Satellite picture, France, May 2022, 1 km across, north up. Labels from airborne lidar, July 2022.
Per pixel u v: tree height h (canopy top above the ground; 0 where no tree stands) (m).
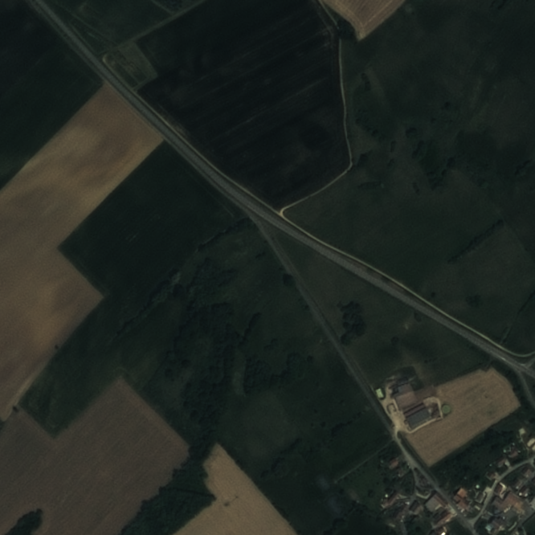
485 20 0
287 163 0
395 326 0
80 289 0
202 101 0
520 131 0
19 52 0
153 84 0
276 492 0
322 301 0
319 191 0
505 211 0
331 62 0
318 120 0
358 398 0
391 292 0
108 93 0
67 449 0
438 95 0
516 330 0
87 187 0
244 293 0
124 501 0
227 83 0
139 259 0
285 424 0
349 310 9
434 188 14
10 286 0
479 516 0
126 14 0
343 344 13
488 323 0
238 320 0
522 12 0
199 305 19
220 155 0
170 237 0
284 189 0
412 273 0
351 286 0
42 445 0
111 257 0
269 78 0
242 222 13
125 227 0
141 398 0
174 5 9
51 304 0
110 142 0
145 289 0
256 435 0
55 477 0
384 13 0
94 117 0
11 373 0
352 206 0
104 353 0
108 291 0
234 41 0
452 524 0
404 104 0
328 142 0
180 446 0
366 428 0
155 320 0
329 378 0
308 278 0
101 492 0
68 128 0
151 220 0
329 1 0
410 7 0
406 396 0
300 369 16
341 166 0
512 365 0
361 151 0
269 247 0
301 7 0
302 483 0
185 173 0
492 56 0
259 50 0
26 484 0
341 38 13
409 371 0
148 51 0
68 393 0
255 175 0
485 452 0
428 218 0
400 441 0
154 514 18
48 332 0
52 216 0
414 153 9
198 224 0
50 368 0
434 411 0
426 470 0
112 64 0
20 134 0
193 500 21
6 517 0
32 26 0
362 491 0
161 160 0
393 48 0
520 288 0
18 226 0
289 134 0
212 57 0
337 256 0
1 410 0
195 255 0
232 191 0
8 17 0
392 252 0
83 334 0
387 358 0
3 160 0
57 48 0
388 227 0
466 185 0
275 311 0
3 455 0
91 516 0
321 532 0
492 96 0
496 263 0
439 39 0
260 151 0
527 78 0
